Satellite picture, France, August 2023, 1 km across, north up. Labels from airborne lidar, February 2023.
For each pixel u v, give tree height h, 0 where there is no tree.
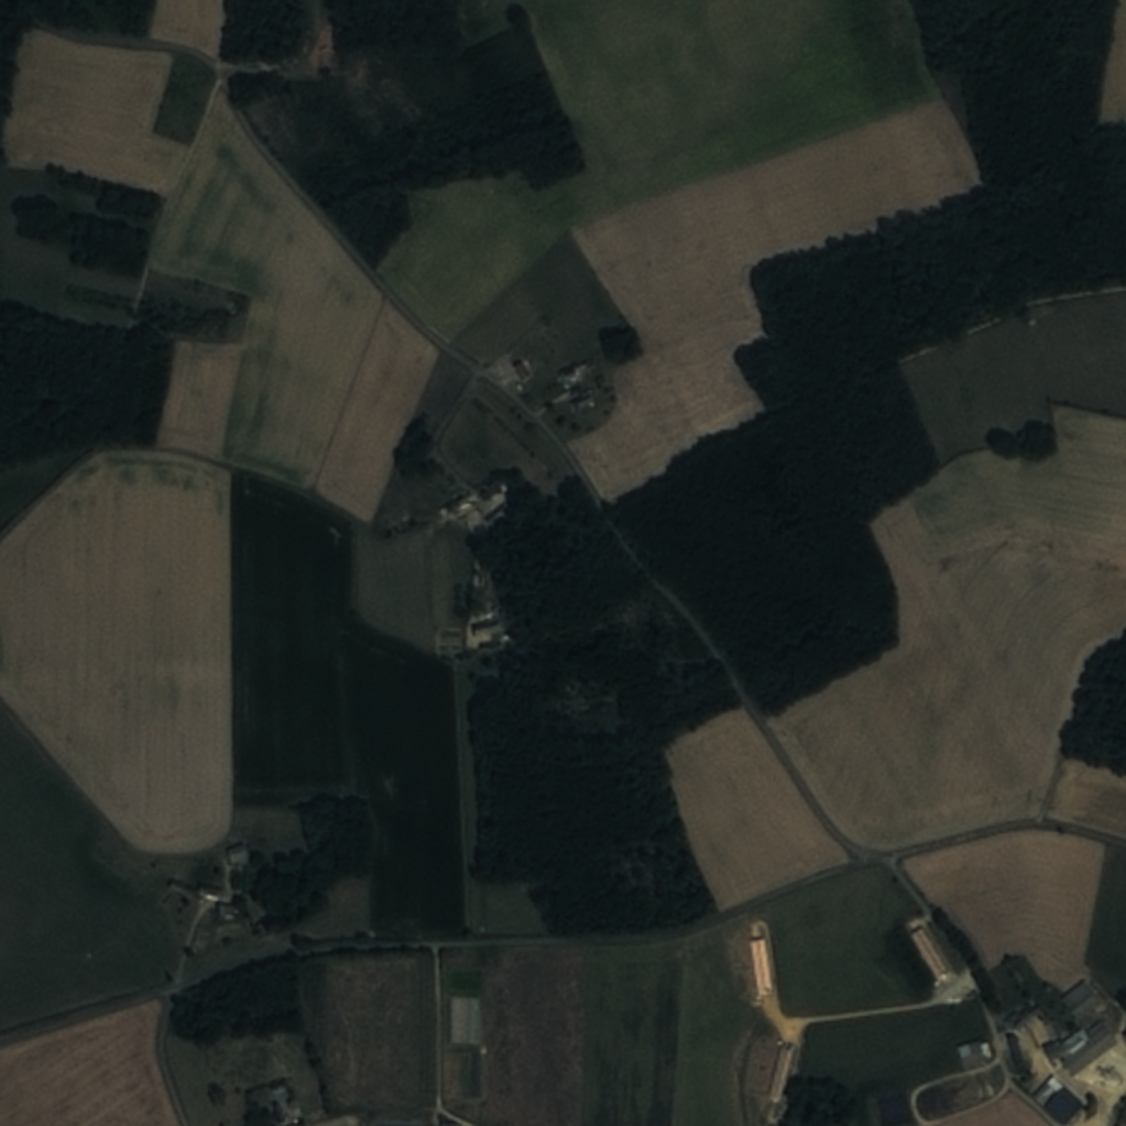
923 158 0
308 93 0
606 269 0
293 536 0
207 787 0
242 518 0
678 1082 0
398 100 0
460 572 0
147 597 0
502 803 15
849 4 0
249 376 0
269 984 14
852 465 14
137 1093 0
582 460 0
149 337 16
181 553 0
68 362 17
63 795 0
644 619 0
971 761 0
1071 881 0
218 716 0
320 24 0
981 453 0
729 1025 0
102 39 0
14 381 15
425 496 0
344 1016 0
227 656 0
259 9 12
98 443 12
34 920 0
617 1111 0
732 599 10
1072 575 0
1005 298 21
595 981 0
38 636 0
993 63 7
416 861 0
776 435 14
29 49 0
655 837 15
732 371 0
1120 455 0
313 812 12
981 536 0
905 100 0
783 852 0
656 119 0
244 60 12
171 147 0
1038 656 0
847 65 0
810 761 0
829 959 0
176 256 0
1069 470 0
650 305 0
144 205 12
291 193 0
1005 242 24
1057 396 0
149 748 0
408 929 0
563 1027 0
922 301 23
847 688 0
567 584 19
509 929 0
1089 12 15
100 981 0
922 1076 0
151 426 6
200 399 0
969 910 0
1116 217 7
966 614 0
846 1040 0
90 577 0
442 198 0
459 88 0
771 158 0
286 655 0
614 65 0
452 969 0
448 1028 0
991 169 8
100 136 0
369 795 0
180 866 0
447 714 0
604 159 0
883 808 0
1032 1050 0
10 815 0
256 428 0
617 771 11
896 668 0
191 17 0
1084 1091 0
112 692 0
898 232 22
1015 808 0
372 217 16
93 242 18
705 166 0
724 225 0
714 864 0
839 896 0
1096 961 0
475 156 17
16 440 18
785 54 0
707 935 0
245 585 0
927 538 0
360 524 0
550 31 0
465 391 0
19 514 0
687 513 14
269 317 0
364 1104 0
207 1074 0
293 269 0
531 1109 0
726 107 0
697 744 0
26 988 0
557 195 0
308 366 0
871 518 11
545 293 0
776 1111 0
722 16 0
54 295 0
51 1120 0
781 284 18
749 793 0
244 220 0
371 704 0
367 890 0
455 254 0
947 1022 0
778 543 13
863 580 11
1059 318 0
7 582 0
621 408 0
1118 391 0
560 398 0
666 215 0
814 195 0
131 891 0
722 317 0
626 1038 0
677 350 0
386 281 0
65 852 0
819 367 18
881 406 16
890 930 0
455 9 18
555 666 0
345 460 0
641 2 0
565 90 0
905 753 0
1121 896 0
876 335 17
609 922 12
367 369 0
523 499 25
